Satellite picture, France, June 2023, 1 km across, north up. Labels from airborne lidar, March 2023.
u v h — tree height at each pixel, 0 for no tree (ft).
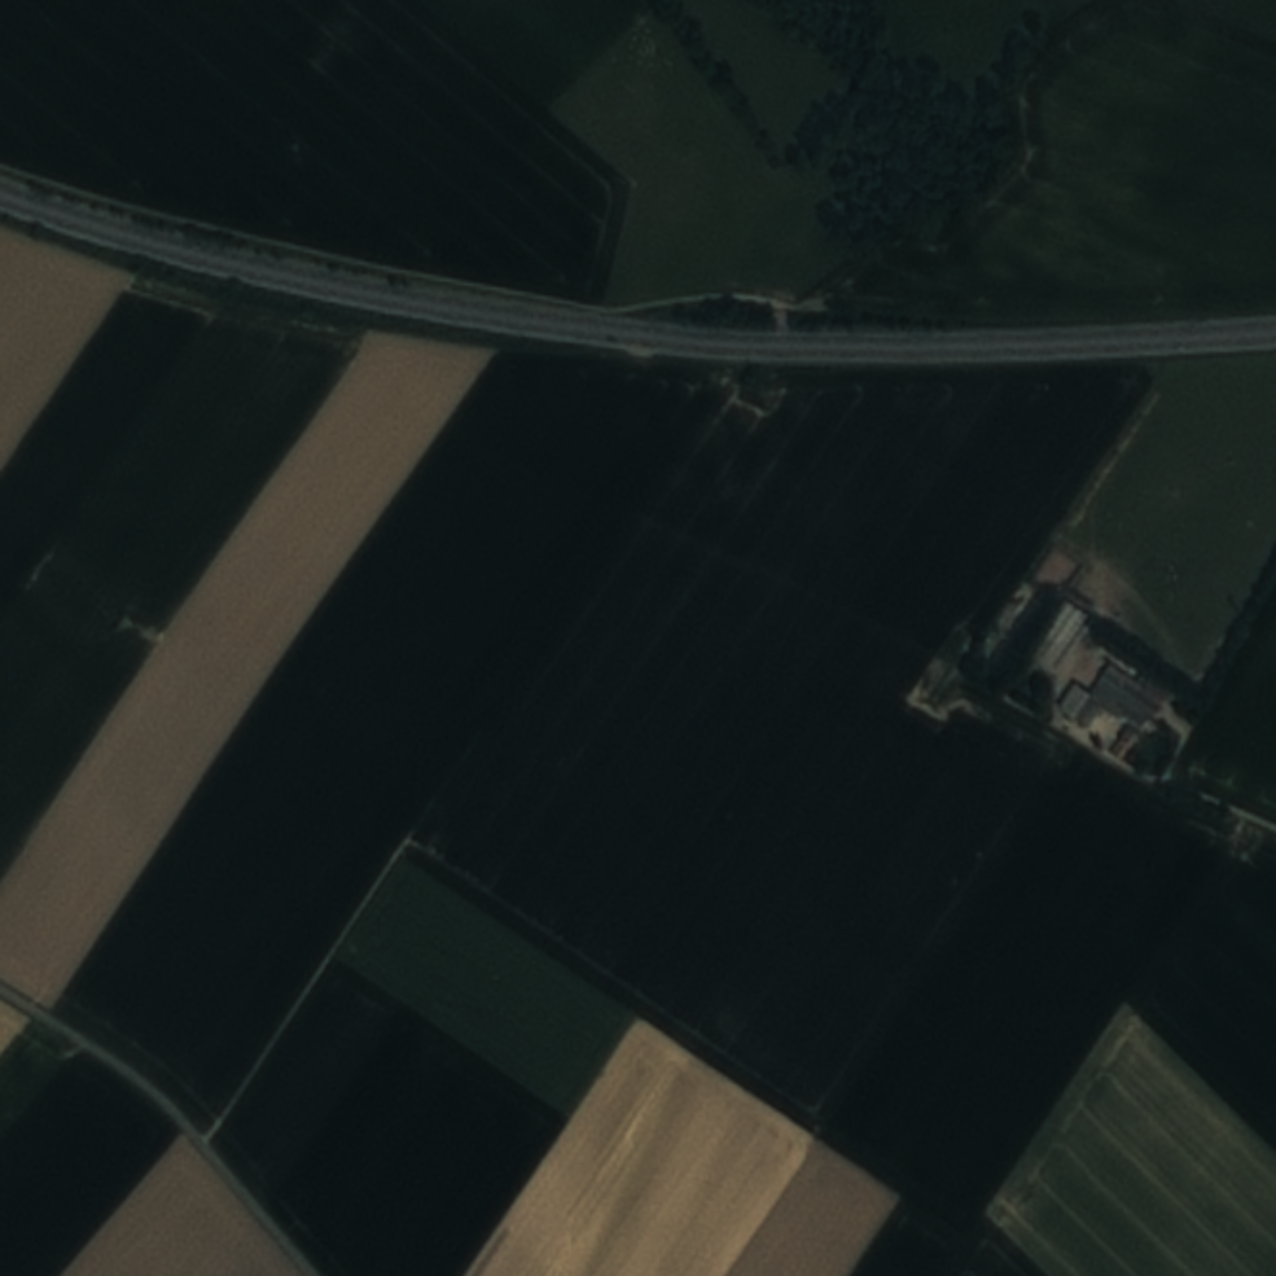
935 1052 0
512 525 0
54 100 0
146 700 0
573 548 0
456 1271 0
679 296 0
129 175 0
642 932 0
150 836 0
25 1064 0
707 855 0
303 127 0
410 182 0
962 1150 0
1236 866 0
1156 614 0
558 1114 0
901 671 0
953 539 0
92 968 0
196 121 0
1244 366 0
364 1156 0
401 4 0
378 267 0
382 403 0
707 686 0
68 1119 0
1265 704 0
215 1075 0
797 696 0
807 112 0
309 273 0
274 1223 0
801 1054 0
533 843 0
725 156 0
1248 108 0
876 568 0
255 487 0
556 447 0
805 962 0
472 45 0
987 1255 0
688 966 0
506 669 0
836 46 60
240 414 0
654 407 0
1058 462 0
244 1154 0
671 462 0
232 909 0
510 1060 0
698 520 0
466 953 0
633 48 0
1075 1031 0
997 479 0
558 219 0
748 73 0
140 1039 0
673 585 0
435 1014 0
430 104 0
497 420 0
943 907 0
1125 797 0
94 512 0
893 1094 0
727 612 0
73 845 0
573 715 0
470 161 0
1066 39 0
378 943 0
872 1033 0
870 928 0
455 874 0
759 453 0
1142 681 0
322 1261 0
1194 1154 0
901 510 0
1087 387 0
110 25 0
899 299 0
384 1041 0
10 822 0
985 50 0
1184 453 0
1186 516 0
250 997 0
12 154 0
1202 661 0
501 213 0
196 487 0
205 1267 0
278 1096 0
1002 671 83
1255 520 0
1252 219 0
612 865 0
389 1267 0
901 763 0
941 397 0
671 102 0
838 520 0
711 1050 0
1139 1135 0
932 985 0
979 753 0
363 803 0
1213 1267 0
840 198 0
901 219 82
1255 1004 0
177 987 0
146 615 0
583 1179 0
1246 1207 0
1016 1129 0
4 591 0
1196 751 0
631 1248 0
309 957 0
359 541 0
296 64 0
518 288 0
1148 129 0
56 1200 0
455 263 0
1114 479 0
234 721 0
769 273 0
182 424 0
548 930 0
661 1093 0
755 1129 0
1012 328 0
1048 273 0
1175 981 0
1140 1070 0
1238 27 0
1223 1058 0
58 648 0
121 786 0
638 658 0
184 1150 0
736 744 0
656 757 0
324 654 0
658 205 0
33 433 0
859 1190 0
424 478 0
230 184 0
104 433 0
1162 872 0
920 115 81
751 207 0
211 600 0
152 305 0
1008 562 0
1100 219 0
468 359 0
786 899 0
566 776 0
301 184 0
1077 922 0
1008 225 0
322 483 0
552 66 0
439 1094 0
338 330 0
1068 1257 0
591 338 0
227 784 0
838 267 0
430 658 0
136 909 0
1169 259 0
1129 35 0
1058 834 0
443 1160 0
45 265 0
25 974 0
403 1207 0
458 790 0
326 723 0
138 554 0
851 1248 0
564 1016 0
